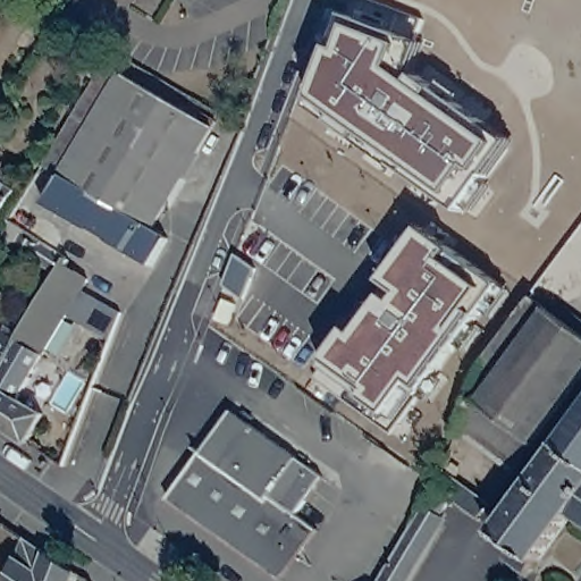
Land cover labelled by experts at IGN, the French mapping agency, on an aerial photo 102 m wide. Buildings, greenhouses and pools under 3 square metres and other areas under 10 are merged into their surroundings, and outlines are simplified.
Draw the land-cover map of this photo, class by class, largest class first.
<instances>
[{"label":"impervious surface","instance_id":"1","mask_svg":"<svg viewBox=\"0 0 581 581\"><path fill-rule=\"evenodd\" d=\"M66 20L79 27L107 23L120 36L129 34L132 66L125 68L123 75L136 82L138 86L152 91L154 95L163 98L166 102L175 104L177 109L191 113L193 118L207 123L204 136L195 148L186 175L182 177L186 186L182 188L175 207H170L166 200L157 209L159 222H152V229L161 238H166L168 245L161 259L157 261L154 270H150L145 261L129 259L127 254L100 241L95 234L59 218L57 213L43 209L34 200L36 188H43L48 179L57 172V166L48 161L43 168L34 163V175L30 177L18 200L5 225L7 236V241L11 243V254L36 252L39 261H41V266H43V268H48V266H50L52 270H64L68 266V270L79 275L75 281L84 291V295L113 309L116 315L109 329L68 325L70 334L66 338L57 336L50 350L41 347L36 354L25 356L27 372L23 381L9 384L7 390L20 393L18 399L25 404L34 395L39 399H45L50 390H57L61 386L66 374H77L84 381L75 397L70 415H75V424L70 429L68 443L59 461H39V449L30 440L20 445L16 440H7V436H11V429L9 424H0V527H5L7 531L18 533L39 551L45 549L48 540H61L68 547L73 545L79 554L89 558V565L84 570L77 565H68L66 572L75 574L77 581H161L157 572L193 554L202 565L220 574L222 581H372L368 572L374 567L377 558L381 556L386 542L395 533L409 506L413 483L418 479L413 468L397 463L379 447L370 445L363 438L365 429L359 424L350 420L345 411H325L295 388V379H288L284 372H277L270 365V361H266L259 354L250 356L247 352L231 347L225 338L209 329V322L213 320V313L218 309L216 295L222 293L225 286L222 272H227L231 254L247 261L250 266L254 261L263 263L259 272L247 297V304L238 315V327L263 331L261 340H272L275 347H284L286 359L295 356V363H304L311 359V354L327 338V334L331 329H343L359 311V306L368 300L372 286L370 277L374 268L384 261V256L370 250L368 245L372 231L356 225V220L347 218L331 202L322 200L325 191L313 186L311 179H302V175L291 177L288 170L279 172L277 168H272L277 145L284 136L291 116L313 48L327 43L329 32L334 27L329 23L331 11H340L354 18L359 11L374 9L386 0H286V7L281 11L284 32H277L275 41H266L261 27L270 0H179V11L191 16V23L172 27L161 25V18L166 16L172 0H61ZM243 48H266L268 57L263 61L261 73L254 79L256 86L245 111V132H225L220 123H213L211 113L207 111L188 102L179 91L163 82L172 75V70L202 68L207 75L213 73L222 77V57L241 52ZM116 404L125 406V415L120 420L111 452L109 456H104L102 438L109 429ZM245 409H250L261 424H266L270 431H275L279 438L291 443L302 454L311 449L340 477V488H334L331 483H320L306 502L309 506L322 513V522L313 527L315 540L304 554L306 563H311L309 567L295 563V558H288L286 565L277 574H272L261 563L250 558L245 551L234 547L227 538L202 524L191 513L182 511L177 504H172V499L161 502V492L172 483V479L179 474L188 456L211 431L216 420L225 411L238 418ZM402 5L418 9L420 14H427L433 20H438L456 39L461 50L479 70L504 79L520 100L529 129L533 163L531 193L520 211L522 220L531 227H540L549 216V204L563 191L565 184L561 177H551L545 188H540V138L531 111V100L547 95L554 86L549 59L533 45V41L522 39L506 54L502 66H492L474 52L463 32L445 14L429 7L422 0H397ZM524 297L536 300L538 306H542L563 327H567L572 334L581 338V295L572 304H567L558 295L540 288L538 284H531ZM538 447V443L529 438L506 461H502L468 433L449 443L452 456L445 470L449 472V483H454L474 490L477 504L490 511ZM445 529L413 581H542V570L547 567L545 563L527 554H515V561L506 563L492 547L479 540V531H483V524L463 517L452 506H449L445 508Z\"/></svg>","mask_w":581,"mask_h":581},{"label":"building","instance_id":"2","mask_svg":"<svg viewBox=\"0 0 581 581\"><path fill-rule=\"evenodd\" d=\"M329 23L334 27L329 32L327 43L313 48L291 116L300 120L306 129H315L329 136L331 152L336 157H350L363 163L377 177L386 179V184L393 186L397 195L402 191H411L413 195L427 200L436 209L438 218L447 211L479 216L486 207L483 200L492 197V188H488V177H492L499 170L508 154H520V138H515L513 134H508L506 138H497L488 134L481 120L468 116L461 109V104H456L454 91L443 82H415L411 75H406V66L402 61L422 54L420 32L424 30V23L420 20V14L418 9L402 5L397 0H386L374 9L359 11L354 18L340 11H331ZM68 109L70 116L66 118L59 134L52 136L54 150L48 161L57 166V172L48 179L43 188H36L34 200L43 209L57 213L59 218L95 234L100 241L127 254L129 259L145 261L150 270H154L157 261L161 259L168 245L166 238H161L152 229V222H159L157 209L166 200L170 207H175L182 188L186 186L182 177L186 175L195 148L204 136L207 123L193 118L191 113L177 109L175 104L166 102L163 98L154 95L152 91L138 86L136 82L123 75L104 77L95 86L86 84L84 93L77 98L75 104H68ZM372 286L368 300L359 306V311L343 329H331L327 334V338L311 354V359L315 365V374L309 390L320 399H325L327 393H334L336 406H354V411L361 415L359 424L365 429L381 440H386L388 436L411 433L409 413L418 406V397L411 395H415L418 390L433 393V381L438 379L436 370L447 363L452 354L463 359L468 354L477 336L483 331L486 322L502 309V304L508 297L506 291L495 286L490 279L481 277V272L468 259L458 256L454 250L445 245L431 243L427 236L411 227L402 231L390 252L384 256V261L374 268L370 277ZM263 263L254 261L250 266L247 261L231 254L227 272H222L225 286L241 293L250 268L259 272ZM79 275L68 270V266L64 270H52V272H50V275L45 277V281H43L41 291H39V293L34 295V300H32L30 304L18 322H0V424H9L11 429V436H7V440H16L20 445L30 440L41 418L36 413L39 399L34 395L25 404L18 399L20 393L7 390L9 384L23 381L27 372L25 356L36 354L41 347L50 350L57 336L66 338L70 334L68 325L109 329L116 315L113 309L84 295V291L75 281ZM479 356L486 361V365L472 388L474 397L470 402L477 409L472 411V418L468 422V433L502 461H506L529 438L538 443V447L490 511L477 504L474 490L454 483L452 506L463 517L483 524V531H479V540L492 547L506 563L515 561V554H527L545 563L547 549L554 547L563 529L581 542V338L572 334L567 327H563L542 306H538L536 300L524 297L515 304L506 322L499 327V331L490 338V343L483 347ZM320 483H331L334 488H340V477L311 449L302 454L291 443L279 438L275 431H270L266 424H261L250 409H245L238 418L225 411L216 420L211 431L188 456L179 474L172 479V483L161 492V502L172 499V504H177L182 511L191 513L202 524L227 538L234 547L245 551L250 558L261 563L272 574H277L286 565L288 558H295V563L309 567L311 563H306L304 554L315 540L313 527L322 522V513L309 506L306 502ZM443 511L415 515L409 506L395 533L386 542L381 556L377 558L374 567L368 572L372 581H413L445 529V508L449 506L445 502L440 504ZM5 540H14L16 549L11 551L5 570L0 572V581H77L75 574L66 572L68 565H52L45 549L39 551L18 533L7 531Z\"/></svg>","mask_w":581,"mask_h":581},{"label":"herbaceous vegetation","instance_id":"3","mask_svg":"<svg viewBox=\"0 0 581 581\"><path fill-rule=\"evenodd\" d=\"M191 23V16L179 11V0H172L166 16L161 18V25L172 27ZM429 7L445 14L463 32L474 52L492 66H502L506 54L522 39L533 41V45L549 59L554 86L547 95L531 100V111L540 138V188H545L551 177H561L565 184L563 191L549 204V216L540 227H531L522 220L520 211L531 193L533 163L529 129L520 100L504 79L479 70L461 50L456 39L438 20H433L427 14H420V20L424 23V30L420 32L422 54L402 61L406 66V75H411L415 82H443L454 91L456 104H461V109L468 116L481 120L488 134L497 138H506L508 134H513L515 138H520V154H508L499 170L492 177H488V188H492V197L483 200L486 207L479 216L447 211L438 218L436 209L427 200L413 195L411 191H402L397 195L393 186L386 184V179L377 177L363 163L350 157H336L331 152L329 136L315 129H306L300 120L291 116L284 136L277 145L272 168H277L279 172L288 170L291 177L302 175V179H311L313 186L325 191L322 200L331 202L347 218L356 220V225L372 231L368 245L370 250L384 256L390 252L402 231L411 227L427 236L431 243L445 245L454 250L458 256L468 259L481 272V277L490 279L495 286L506 291L508 297L502 304V309L486 322L483 331L477 336L468 354L463 359L452 354L447 363L436 370L438 379L433 381V393L418 390L415 395H411L418 397V406L409 413L411 433L388 436L386 440H381L365 429L363 438L370 445L379 447L397 463L413 468L415 456L429 452L440 436L438 427L445 420H449L456 399L470 402L474 397L472 388L468 390L461 384L470 363L479 356L483 347L490 343V338L499 331V327L506 322L515 304L524 297L531 284H538V279L545 275V270L551 266V261L558 256L570 236L581 225V0H422ZM34 32L20 25L0 27V73H16L9 61H16L20 57V50L32 43ZM268 57L266 48H243L241 52L222 57V77L213 73L207 75L202 68L172 70V75L163 82L179 91L188 102L207 111V98L216 89H225L229 79H254L261 73L263 61ZM50 75V64L39 61V66L30 73L23 86V95L27 98L32 111L25 118L16 120L14 138L0 136V172L9 163H23L25 154L20 150L27 145V141H41L52 136L59 134L66 118L70 116L68 109L54 127L36 125V118L43 113L39 104V91L45 89V77ZM36 270H39V279H36V284H34V291H32V293L27 295V300H25V302L30 304L32 300H34V295L39 293V291H41L43 281H45V277L50 275V272H52V270L50 266H48V268H43V266H41V261H39V263H36ZM259 272L250 268L241 293L225 286L222 293L216 295L218 309L213 313V320L209 322V329L225 338L231 347L247 352L250 356L259 354L266 361H270V365L277 372H284L288 379H295V388L325 411H345L350 420L359 424L361 415L354 411V406H336L334 393H327L325 399H320L309 390L315 374V365L311 359L304 363H295V356L286 359L284 347H275L272 340H261L263 331L238 327V315L247 304V297ZM36 413L41 418H48L50 429L43 433L41 443L52 447L57 438L64 436L68 415L50 411V402L45 399H39ZM7 531L5 527H0V572L5 570L11 551L16 549L14 540H5ZM545 563L547 567H561L574 581H581V542L563 529L554 547L547 549Z\"/></svg>","mask_w":581,"mask_h":581},{"label":"deciduous trees","instance_id":"4","mask_svg":"<svg viewBox=\"0 0 581 581\"><path fill-rule=\"evenodd\" d=\"M20 25L34 32L32 43L20 50V57L16 61H9L16 73H0V136L14 138L16 120L25 118L32 111L27 98L23 95V86L30 73L39 66V61L50 64V75L45 77V89L39 91V104L43 113L36 118V125L54 127L68 109V104H75L77 98L84 93L86 84L95 86L104 77L123 75L125 68L132 66L129 34L120 36L107 23L79 27L66 20L61 0H0V27ZM256 86L254 79H229L225 89H216L207 98V111L211 113L213 123H220L225 132H245V111ZM54 150L52 136L41 141H27V145L20 150L25 154L23 163H9L0 172V193H5V197L11 195L18 200L30 177L34 175V163L43 168L48 161ZM11 243L7 241V236L0 234V322H18L30 304L25 302V300H27V295L32 293V291H34V284H36V279H39V270H36V263H39V261L36 252L11 254ZM452 456L449 443L440 436L429 452L415 456L413 468L418 479L413 483L409 506L415 515L443 511L440 504L445 502L449 506H452L454 483H449V472L445 470ZM52 565H77L84 570L89 565V558L79 554L73 545L68 547L61 540H48L45 549ZM161 581H222L220 574L202 565L193 554L157 572Z\"/></svg>","mask_w":581,"mask_h":581},{"label":"brushwood","instance_id":"5","mask_svg":"<svg viewBox=\"0 0 581 581\"><path fill-rule=\"evenodd\" d=\"M286 7V0H270L261 27L266 41H275L277 32H284L281 11ZM18 200L11 195L5 197V193H0V234L7 236L5 225ZM486 365V361L479 356L470 363L461 384L468 390L472 388ZM477 409L470 402L456 399L449 420H445L438 427L440 436L449 443L468 433V422L472 418V411ZM125 415V406L116 404L109 429L102 438L104 456H109L111 452L120 420ZM75 424V415H68L64 436L57 438L52 447L41 443L43 433L50 429L48 418H41L30 440L39 449V461H59L68 443L70 429ZM542 581H574L561 567H547L542 570Z\"/></svg>","mask_w":581,"mask_h":581},{"label":"pervious surface","instance_id":"6","mask_svg":"<svg viewBox=\"0 0 581 581\"><path fill-rule=\"evenodd\" d=\"M540 288L558 295L567 304H572L581 295V225L570 236L558 256L551 261V266L545 270V275L538 279V284Z\"/></svg>","mask_w":581,"mask_h":581},{"label":"swimming pool","instance_id":"7","mask_svg":"<svg viewBox=\"0 0 581 581\"><path fill-rule=\"evenodd\" d=\"M84 381L77 374H66L61 386L57 390H50L45 399L50 402V411L68 415H70L75 397Z\"/></svg>","mask_w":581,"mask_h":581}]
</instances>
